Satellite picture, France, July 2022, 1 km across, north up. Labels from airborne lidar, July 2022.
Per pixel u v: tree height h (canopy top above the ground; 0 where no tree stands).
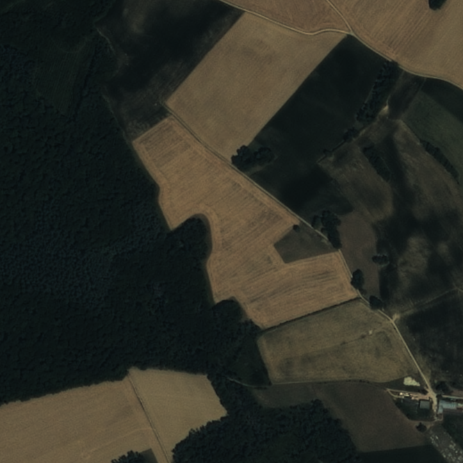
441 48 0
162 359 22
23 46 7
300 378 0
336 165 0
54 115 24
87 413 0
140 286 28
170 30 0
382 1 0
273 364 0
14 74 20
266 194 0
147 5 0
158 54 0
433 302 0
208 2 0
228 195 0
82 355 21
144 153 0
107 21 0
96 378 24
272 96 0
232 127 0
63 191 27
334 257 0
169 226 0
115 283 13
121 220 25
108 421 0
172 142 0
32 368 19
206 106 0
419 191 0
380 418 0
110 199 27
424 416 0
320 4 0
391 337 0
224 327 21
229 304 19
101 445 0
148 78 0
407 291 0
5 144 28
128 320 27
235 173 0
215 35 0
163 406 0
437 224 0
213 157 0
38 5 6
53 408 0
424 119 0
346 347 0
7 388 30
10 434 0
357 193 0
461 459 0
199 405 0
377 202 0
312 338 0
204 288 13
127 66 0
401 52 0
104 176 25
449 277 0
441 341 0
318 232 0
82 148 23
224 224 0
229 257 0
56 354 28
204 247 18
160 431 0
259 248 0
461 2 0
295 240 0
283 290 0
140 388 0
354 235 0
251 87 0
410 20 0
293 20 0
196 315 28
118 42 0
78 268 24
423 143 7
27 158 28
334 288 0
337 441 28
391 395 0
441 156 15
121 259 27
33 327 31
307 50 0
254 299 0
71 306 30
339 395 0
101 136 24
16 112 25
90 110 24
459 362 0
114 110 0
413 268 0
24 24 11
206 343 24
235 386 15
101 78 17
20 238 26
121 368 24
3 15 9
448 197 0
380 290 0
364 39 0
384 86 27
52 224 18
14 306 27
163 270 30
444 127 0
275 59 0
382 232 0
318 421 20
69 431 0
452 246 0
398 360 0
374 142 0
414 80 0
